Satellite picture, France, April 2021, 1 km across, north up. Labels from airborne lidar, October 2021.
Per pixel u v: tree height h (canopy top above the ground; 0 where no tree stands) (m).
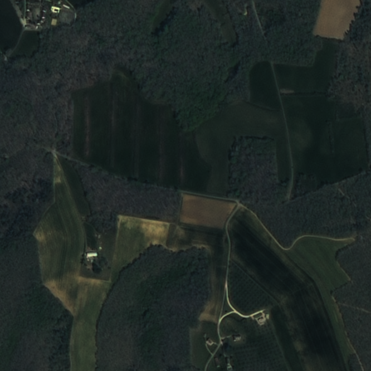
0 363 20
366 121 14
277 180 8
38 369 11
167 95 21
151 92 23
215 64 23
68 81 11
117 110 0
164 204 16
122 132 0
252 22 13
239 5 10
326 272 0
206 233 0
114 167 0
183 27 19
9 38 0
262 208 16
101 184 17
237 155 18
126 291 15
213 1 0
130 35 19
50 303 20
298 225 17
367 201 21
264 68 0
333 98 20
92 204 13
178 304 17
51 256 0
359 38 12
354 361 13
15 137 18
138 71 22
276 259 0
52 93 15
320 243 0
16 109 22
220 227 0
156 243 0
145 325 15
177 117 22
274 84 0
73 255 0
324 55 0
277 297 0
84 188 11
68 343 14
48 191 22
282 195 20
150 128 0
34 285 21
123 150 0
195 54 22
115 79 0
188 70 22
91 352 0
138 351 16
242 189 8
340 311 8
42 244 0
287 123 0
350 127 0
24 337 13
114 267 0
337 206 15
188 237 0
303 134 0
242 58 19
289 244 16
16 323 16
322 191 18
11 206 12
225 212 0
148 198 17
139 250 0
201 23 15
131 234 0
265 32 15
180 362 14
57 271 0
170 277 21
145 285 20
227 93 20
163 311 19
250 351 6
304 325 0
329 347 0
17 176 9
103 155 0
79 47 15
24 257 20
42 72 18
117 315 18
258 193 15
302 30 24
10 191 20
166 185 0
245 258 0
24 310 17
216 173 0
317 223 17
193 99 26
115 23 21
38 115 16
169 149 0
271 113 0
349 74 12
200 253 16
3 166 18
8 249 18
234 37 0
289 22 25
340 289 10
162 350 17
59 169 0
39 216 17
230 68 7
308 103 0
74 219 0
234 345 0
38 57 21
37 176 20
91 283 0
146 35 20
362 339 10
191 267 22
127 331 16
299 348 0
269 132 0
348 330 10
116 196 17
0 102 21
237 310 0
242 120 0
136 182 16
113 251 0
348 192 12
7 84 23
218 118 0
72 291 0
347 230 12
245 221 0
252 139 12
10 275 15
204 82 25
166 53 23
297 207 19
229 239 0
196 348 0
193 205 0
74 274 0
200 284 20
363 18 14
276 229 15
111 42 17
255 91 0
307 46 26
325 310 0
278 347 8
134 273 19
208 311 0
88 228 0
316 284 0
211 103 28
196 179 0
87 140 0
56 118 15
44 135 18
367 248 8
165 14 0
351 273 10
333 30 0
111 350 14
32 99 21
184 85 21
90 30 15
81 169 13
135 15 17
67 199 0
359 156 0
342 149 0
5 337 18
